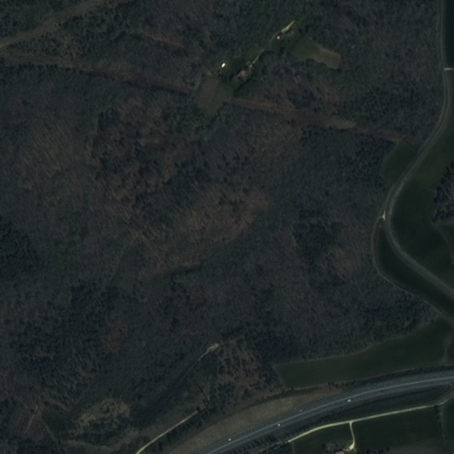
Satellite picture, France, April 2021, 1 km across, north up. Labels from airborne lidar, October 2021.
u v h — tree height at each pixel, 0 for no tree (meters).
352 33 15
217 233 13
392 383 0
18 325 14
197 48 18
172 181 13
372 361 0
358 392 0
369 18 15
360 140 16
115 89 24
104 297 19
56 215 18
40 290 23
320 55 0
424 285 0
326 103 6
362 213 17
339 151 18
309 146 22
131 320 13
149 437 0
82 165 25
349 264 25
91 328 17
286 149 15
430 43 23
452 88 0
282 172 15
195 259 14
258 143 20
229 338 17
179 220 15
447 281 0
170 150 18
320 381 0
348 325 18
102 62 23
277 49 0
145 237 19
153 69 16
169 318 10
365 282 21
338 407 0
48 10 13
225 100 0
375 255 8
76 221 21
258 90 13
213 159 13
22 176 20
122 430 7
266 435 0
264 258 20
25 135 20
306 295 13
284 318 19
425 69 20
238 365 7
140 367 10
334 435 0
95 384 11
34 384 14
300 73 21
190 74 13
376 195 16
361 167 13
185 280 19
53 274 23
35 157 22
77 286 11
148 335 12
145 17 16
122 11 23
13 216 13
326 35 18
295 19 17
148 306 13
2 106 17
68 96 26
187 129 20
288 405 0
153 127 19
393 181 0
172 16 17
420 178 0
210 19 21
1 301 21
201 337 9
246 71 10
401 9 21
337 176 10
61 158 20
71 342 14
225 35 18
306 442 0
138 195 13
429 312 20
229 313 12
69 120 15
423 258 0
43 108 17
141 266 11
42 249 19
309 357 10
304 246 22
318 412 0
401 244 0
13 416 22
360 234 21
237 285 20
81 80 19
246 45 24
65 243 24
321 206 19
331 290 21
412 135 10
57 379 18
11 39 0
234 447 0
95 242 22
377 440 0
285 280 18
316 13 16
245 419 0
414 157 0
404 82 15
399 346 0
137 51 20
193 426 18
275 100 18
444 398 0
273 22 22
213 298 17
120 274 10
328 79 20
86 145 24
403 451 0
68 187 22
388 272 0
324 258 18
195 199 17
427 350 0
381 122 19
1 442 10
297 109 14
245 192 15
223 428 0
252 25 23
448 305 0
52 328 15
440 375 0
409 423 0
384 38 19
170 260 22
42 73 19
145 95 16
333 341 21
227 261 17
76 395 18
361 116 6
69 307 19
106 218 16
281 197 21
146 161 19
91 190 27
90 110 16
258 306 16
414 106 21
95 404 9
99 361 11
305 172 18
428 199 0
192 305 12
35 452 21
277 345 18
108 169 22
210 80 0
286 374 0
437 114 15
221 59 17
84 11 0
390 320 19
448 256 0
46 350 16
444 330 0
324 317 17
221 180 6
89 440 13
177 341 7
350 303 15
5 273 23
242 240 19
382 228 0
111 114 23
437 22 21
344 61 20
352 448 0
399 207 0
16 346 18
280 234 21
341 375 0
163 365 10
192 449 0
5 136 20
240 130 13
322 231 20
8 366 12
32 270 22
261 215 16
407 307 9
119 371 13
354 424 0
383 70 15
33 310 12
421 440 0
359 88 19
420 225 0
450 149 0
